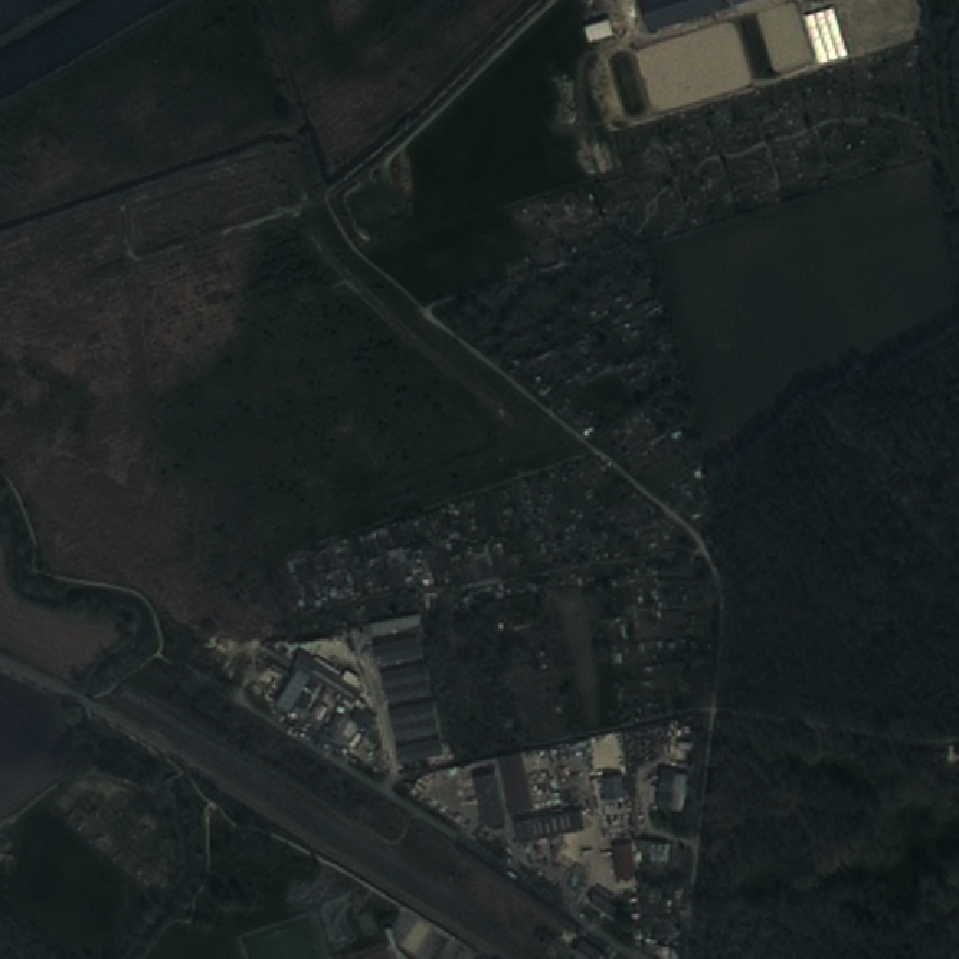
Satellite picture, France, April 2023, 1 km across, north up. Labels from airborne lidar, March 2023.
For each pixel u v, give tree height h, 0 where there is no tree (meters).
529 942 0
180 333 0
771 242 0
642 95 0
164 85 0
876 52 0
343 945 0
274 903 0
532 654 18
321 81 0
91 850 0
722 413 0
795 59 0
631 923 16
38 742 0
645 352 9
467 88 0
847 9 0
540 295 17
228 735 8
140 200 0
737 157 0
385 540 0
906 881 0
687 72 0
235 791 0
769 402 0
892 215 0
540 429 0
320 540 0
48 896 0
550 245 0
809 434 22
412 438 0
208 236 0
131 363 0
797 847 29
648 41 0
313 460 0
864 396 22
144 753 21
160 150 0
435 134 0
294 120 29
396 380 0
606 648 12
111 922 0
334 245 0
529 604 0
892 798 30
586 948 0
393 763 0
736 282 0
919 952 20
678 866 0
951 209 13
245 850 21
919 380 22
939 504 21
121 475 0
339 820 0
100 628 0
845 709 23
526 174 0
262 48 0
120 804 0
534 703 0
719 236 0
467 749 15
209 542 0
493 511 0
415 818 0
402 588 0
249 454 0
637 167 0
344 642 0
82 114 0
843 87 0
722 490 20
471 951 0
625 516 0
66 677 0
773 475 22
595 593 8
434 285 0
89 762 24
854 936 20
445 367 0
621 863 0
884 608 21
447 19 0
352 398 0
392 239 0
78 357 0
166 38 0
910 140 0
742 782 28
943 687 23
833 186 0
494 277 0
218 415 0
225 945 0
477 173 0
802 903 31
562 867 0
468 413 0
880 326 0
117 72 0
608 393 0
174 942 0
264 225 0
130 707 0
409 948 0
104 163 0
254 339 0
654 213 0
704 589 14
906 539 30
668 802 0
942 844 0
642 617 0
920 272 0
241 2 0
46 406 0
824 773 20
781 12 0
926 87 12
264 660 0
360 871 0
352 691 0
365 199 0
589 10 0
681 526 0
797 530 27
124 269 0
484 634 8
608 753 0
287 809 0
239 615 0
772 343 0
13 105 0
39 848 0
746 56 0
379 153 0
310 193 0
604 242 0
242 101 0
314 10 0
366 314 0
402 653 0
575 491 0
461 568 0
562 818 0
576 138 0
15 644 0
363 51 0
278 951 0
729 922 11
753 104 0
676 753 0
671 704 0
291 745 0
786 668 17
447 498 0
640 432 0
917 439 23
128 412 0
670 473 0
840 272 0
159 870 0
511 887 21
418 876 0
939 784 28
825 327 0
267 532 0
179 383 0
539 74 0
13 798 0
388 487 0
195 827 13
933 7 0
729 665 25
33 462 0
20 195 0
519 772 0
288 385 0
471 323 19
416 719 0
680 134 0
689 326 0
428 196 0
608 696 0
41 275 0
